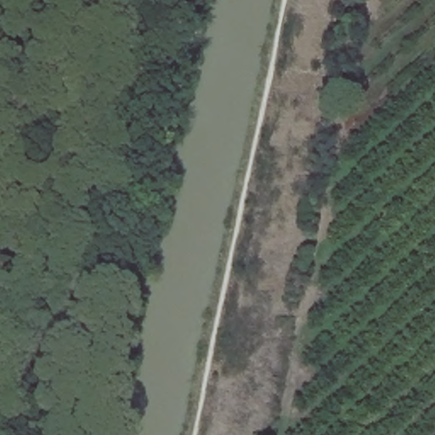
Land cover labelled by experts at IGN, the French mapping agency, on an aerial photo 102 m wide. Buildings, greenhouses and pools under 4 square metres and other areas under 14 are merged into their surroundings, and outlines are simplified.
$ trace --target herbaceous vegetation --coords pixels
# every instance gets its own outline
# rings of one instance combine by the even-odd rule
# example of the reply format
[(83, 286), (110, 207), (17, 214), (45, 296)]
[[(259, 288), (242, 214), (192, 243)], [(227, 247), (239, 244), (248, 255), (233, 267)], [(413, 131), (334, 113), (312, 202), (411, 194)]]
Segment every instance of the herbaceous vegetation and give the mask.
[[(309, 285), (297, 309), (287, 308), (282, 296), (285, 275), (291, 267), (292, 257), (296, 255), (299, 243), (304, 241), (302, 231), (296, 223), (299, 195), (294, 194), (292, 184), (296, 180), (304, 180), (309, 175), (302, 168), (302, 161), (296, 155), (292, 155), (289, 148), (304, 143), (308, 136), (316, 131), (316, 122), (321, 116), (318, 87), (323, 83), (326, 68), (313, 70), (311, 61), (323, 59), (325, 56), (321, 48), (321, 37), (330, 24), (331, 15), (328, 7), (331, 0), (287, 0), (287, 8), (301, 15), (302, 31), (292, 41), (296, 51), (294, 63), (285, 68), (284, 75), (277, 76), (275, 73), (265, 114), (280, 114), (279, 127), (270, 138), (270, 143), (277, 150), (277, 165), (282, 173), (282, 178), (272, 180), (272, 184), (280, 189), (280, 197), (279, 201), (272, 204), (270, 226), (260, 246), (260, 255), (245, 262), (234, 255), (221, 325), (217, 330), (216, 348), (212, 357), (211, 376), (207, 382), (199, 435), (257, 435), (258, 430), (274, 428), (280, 416), (299, 420), (299, 410), (294, 406), (294, 394), (302, 386), (302, 382), (309, 381), (314, 374), (313, 365), (302, 365), (301, 359), (291, 350), (297, 333), (301, 333), (302, 325), (308, 321), (309, 308), (319, 299), (319, 289), (316, 285)], [(294, 336), (282, 336), (282, 328), (275, 319), (277, 314), (287, 314), (296, 318)]]

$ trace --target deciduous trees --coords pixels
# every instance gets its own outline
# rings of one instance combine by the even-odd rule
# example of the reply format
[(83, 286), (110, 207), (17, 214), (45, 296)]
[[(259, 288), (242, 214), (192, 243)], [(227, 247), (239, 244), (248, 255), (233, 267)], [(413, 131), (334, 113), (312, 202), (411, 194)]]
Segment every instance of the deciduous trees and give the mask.
[(265, 114), (234, 255), (245, 262), (260, 255), (260, 246), (270, 226), (272, 204), (279, 201), (280, 197), (280, 189), (272, 184), (272, 180), (282, 178), (282, 173), (277, 165), (277, 150), (270, 143), (270, 138), (279, 127), (280, 114)]
[(296, 318), (287, 314), (277, 314), (275, 319), (282, 328), (282, 336), (294, 336)]
[(194, 8), (187, 5), (187, 0), (131, 0), (127, 7), (133, 15), (139, 15), (139, 22), (138, 27), (129, 29), (131, 36), (138, 36), (134, 39), (133, 48), (129, 49), (129, 53), (134, 54), (134, 66), (138, 75), (129, 87), (122, 90), (121, 95), (114, 97), (116, 117), (126, 121), (127, 134), (131, 139), (127, 146), (122, 144), (117, 148), (117, 155), (126, 158), (127, 168), (131, 170), (131, 182), (122, 184), (122, 189), (109, 190), (104, 194), (97, 189), (97, 185), (92, 185), (87, 190), (88, 202), (82, 206), (82, 211), (93, 217), (93, 238), (92, 243), (88, 243), (83, 251), (82, 265), (90, 265), (97, 255), (112, 253), (119, 260), (138, 263), (144, 277), (148, 277), (158, 270), (153, 260), (156, 251), (160, 250), (161, 240), (172, 229), (172, 214), (172, 206), (165, 201), (167, 195), (163, 192), (163, 187), (168, 182), (177, 184), (180, 180), (175, 173), (172, 156), (177, 155), (178, 144), (182, 144), (185, 134), (189, 133), (192, 121), (190, 105), (194, 100), (195, 90), (199, 87), (204, 58), (199, 63), (192, 63), (189, 48), (194, 42), (199, 44), (204, 36), (206, 29), (202, 25), (201, 15), (195, 14)]
[(308, 321), (302, 325), (301, 333), (297, 333), (291, 350), (301, 359), (302, 365), (313, 365), (314, 374), (309, 381), (302, 382), (302, 386), (294, 394), (294, 406), (299, 410), (299, 420), (280, 416), (274, 428), (258, 430), (257, 435), (435, 435), (435, 0), (331, 0), (328, 7), (331, 15), (330, 24), (321, 37), (321, 48), (325, 56), (323, 59), (311, 61), (313, 70), (326, 68), (323, 83), (318, 87), (321, 116), (316, 122), (316, 131), (308, 136), (304, 143), (289, 148), (292, 155), (296, 155), (302, 161), (302, 168), (309, 175), (304, 180), (296, 180), (292, 184), (294, 194), (299, 195), (296, 223), (302, 231), (304, 241), (299, 243), (296, 255), (292, 257), (291, 267), (285, 275), (282, 296), (287, 308), (297, 309), (309, 285), (316, 285), (319, 289), (319, 299), (309, 308)]
[(277, 76), (284, 75), (285, 68), (294, 63), (296, 51), (292, 41), (302, 31), (301, 15), (287, 8), (280, 34), (275, 73)]

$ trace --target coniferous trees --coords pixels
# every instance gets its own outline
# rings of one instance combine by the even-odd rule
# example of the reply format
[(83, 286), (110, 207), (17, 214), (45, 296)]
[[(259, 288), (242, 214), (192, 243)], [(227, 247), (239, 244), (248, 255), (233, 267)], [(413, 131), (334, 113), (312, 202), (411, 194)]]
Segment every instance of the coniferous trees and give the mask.
[(143, 382), (138, 379), (143, 362), (143, 347), (139, 345), (139, 340), (143, 335), (141, 331), (150, 299), (148, 284), (158, 282), (161, 277), (160, 270), (163, 270), (160, 250), (156, 251), (153, 260), (158, 270), (148, 277), (144, 277), (138, 263), (119, 260), (112, 253), (97, 255), (90, 265), (82, 265), (83, 251), (88, 243), (92, 243), (93, 238), (93, 217), (82, 211), (82, 206), (88, 202), (87, 190), (92, 185), (97, 185), (97, 189), (104, 194), (109, 190), (122, 189), (122, 184), (131, 182), (131, 170), (127, 168), (126, 158), (117, 155), (117, 148), (122, 144), (127, 146), (131, 139), (127, 134), (126, 121), (116, 117), (114, 97), (121, 95), (122, 90), (129, 87), (138, 75), (134, 66), (134, 54), (129, 53), (129, 49), (133, 48), (134, 39), (138, 36), (131, 36), (129, 29), (138, 27), (139, 22), (139, 15), (133, 15), (127, 7), (131, 0), (0, 0), (0, 435), (141, 435), (139, 416), (144, 416), (148, 398)]
[(207, 48), (209, 39), (204, 36), (199, 44), (194, 42), (189, 48), (192, 63), (199, 63), (204, 58), (202, 51)]
[(207, 25), (211, 24), (211, 10), (216, 0), (187, 0), (187, 5), (194, 8), (195, 14), (201, 15), (202, 25), (206, 29)]
[(163, 192), (167, 195), (165, 201), (172, 206), (172, 214), (177, 211), (177, 197), (182, 190), (180, 180), (177, 184), (168, 182), (163, 187)]

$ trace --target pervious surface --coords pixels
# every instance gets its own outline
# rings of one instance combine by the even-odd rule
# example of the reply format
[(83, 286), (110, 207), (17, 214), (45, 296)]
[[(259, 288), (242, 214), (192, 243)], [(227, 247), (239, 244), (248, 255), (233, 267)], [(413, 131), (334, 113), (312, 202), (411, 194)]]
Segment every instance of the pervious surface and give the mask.
[(240, 202), (229, 241), (223, 284), (212, 321), (192, 435), (199, 435), (207, 382), (211, 376), (212, 357), (216, 348), (217, 330), (221, 325), (234, 255), (265, 114), (275, 73), (280, 34), (287, 8), (287, 0), (280, 0), (262, 102), (258, 109), (255, 133), (251, 139)]

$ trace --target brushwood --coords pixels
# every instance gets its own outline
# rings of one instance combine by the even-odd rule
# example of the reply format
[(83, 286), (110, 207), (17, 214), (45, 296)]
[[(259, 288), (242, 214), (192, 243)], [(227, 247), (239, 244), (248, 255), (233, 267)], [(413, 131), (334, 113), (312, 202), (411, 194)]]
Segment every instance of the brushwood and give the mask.
[(245, 143), (238, 163), (238, 177), (234, 182), (231, 206), (224, 216), (223, 243), (214, 274), (214, 284), (211, 297), (204, 309), (201, 340), (195, 347), (194, 376), (190, 382), (184, 428), (180, 435), (192, 435), (212, 321), (223, 284), (229, 241), (240, 202), (251, 139), (255, 133), (258, 109), (262, 102), (280, 0), (274, 0), (274, 7), (268, 17), (265, 42), (260, 53), (260, 70), (253, 92), (253, 107), (246, 127)]

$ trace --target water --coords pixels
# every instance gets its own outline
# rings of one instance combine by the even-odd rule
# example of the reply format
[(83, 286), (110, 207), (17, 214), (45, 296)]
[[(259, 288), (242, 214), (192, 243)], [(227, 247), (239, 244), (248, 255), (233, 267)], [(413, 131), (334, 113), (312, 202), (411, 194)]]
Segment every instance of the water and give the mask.
[(202, 51), (204, 58), (199, 87), (195, 90), (194, 100), (190, 105), (192, 121), (189, 133), (185, 134), (182, 144), (178, 144), (177, 155), (172, 156), (175, 173), (180, 180), (182, 190), (177, 197), (177, 211), (172, 214), (172, 229), (161, 240), (160, 250), (163, 270), (160, 270), (161, 277), (158, 282), (148, 284), (150, 299), (141, 331), (143, 335), (139, 340), (139, 345), (143, 347), (143, 362), (138, 379), (143, 382), (148, 398), (144, 416), (139, 416), (141, 435), (180, 435), (184, 428), (190, 382), (194, 376), (195, 347), (201, 340), (204, 309), (211, 297), (214, 284), (214, 274), (223, 243), (224, 216), (231, 206), (234, 182), (238, 177), (238, 163), (245, 143), (246, 127), (253, 107), (253, 92), (260, 70), (260, 53), (265, 42), (268, 17), (274, 7), (274, 0), (216, 0), (211, 10), (211, 24), (207, 25), (206, 29), (204, 36), (209, 39), (207, 48)]

